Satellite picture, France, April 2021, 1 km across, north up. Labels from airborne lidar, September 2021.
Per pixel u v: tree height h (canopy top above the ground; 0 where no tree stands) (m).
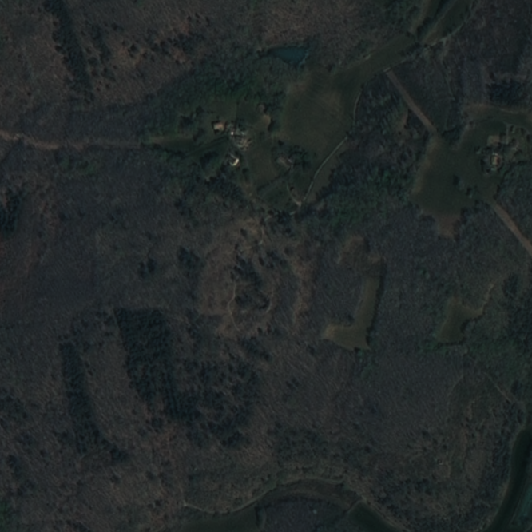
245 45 17
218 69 22
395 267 22
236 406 13
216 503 12
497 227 22
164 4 19
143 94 15
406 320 18
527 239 13
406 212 19
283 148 20
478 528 8
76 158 15
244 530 0
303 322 19
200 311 14
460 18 0
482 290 18
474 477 20
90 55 19
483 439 17
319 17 13
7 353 17
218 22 19
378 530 0
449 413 8
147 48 14
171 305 16
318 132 0
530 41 20
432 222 14
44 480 20
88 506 16
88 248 13
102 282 17
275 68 28
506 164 7
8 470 20
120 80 13
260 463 16
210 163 18
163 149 0
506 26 22
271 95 18
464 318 0
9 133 19
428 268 17
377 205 21
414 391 19
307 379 17
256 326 20
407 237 20
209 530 0
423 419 17
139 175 18
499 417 15
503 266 17
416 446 20
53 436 18
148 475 15
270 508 13
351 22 10
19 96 9
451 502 17
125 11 17
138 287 13
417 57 20
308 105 0
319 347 13
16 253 8
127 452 14
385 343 16
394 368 17
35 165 11
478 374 20
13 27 8
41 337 17
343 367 10
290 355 20
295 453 10
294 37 11
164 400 14
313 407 16
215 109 0
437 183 0
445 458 12
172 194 15
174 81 18
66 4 14
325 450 14
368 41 13
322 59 16
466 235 14
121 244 16
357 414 13
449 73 20
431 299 21
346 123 0
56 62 13
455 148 14
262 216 14
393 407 20
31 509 22
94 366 14
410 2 21
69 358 21
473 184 0
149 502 20
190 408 11
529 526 16
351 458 12
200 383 12
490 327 16
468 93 28
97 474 12
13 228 16
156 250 17
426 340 23
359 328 0
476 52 8
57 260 13
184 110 25
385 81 8
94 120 18
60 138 10
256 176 0
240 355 18
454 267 21
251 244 25
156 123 23
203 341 20
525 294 19
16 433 15
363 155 10
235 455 12
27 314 7
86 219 17
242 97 20
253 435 17
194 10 14
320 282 19
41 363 14
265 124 0
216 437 25
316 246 18
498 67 5
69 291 15
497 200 15
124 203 17
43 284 14
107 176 18
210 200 24
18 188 13
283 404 21
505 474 18
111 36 11
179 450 12
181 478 13
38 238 9
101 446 14
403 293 20
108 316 18
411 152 10
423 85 13
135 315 17
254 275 17
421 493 21
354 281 19
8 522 17
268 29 22
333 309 20
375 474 16
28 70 14
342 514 8
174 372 20
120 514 18
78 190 19
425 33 19
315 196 0
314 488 0
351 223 19
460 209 0
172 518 15
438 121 11
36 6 13
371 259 20
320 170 0
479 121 0
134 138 19
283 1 12
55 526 12
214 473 8
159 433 17
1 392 17
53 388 12
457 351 18
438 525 13
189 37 8
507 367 25
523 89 16
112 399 15
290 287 15
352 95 0
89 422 21
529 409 15
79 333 13
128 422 12
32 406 10
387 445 16
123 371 6
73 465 13
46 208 12
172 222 14
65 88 15
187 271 28
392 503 22
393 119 24
